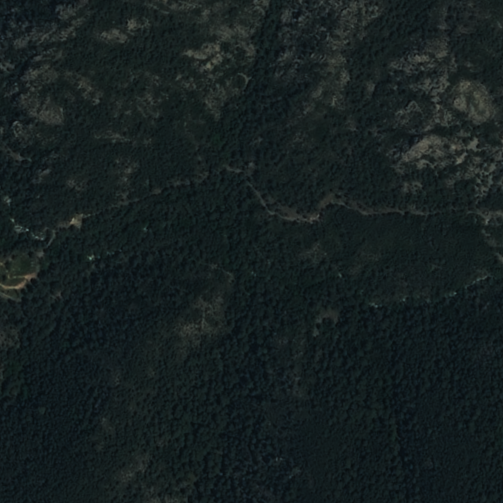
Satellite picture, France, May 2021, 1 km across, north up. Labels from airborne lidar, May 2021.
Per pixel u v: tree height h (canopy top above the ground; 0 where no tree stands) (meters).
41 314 25
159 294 10
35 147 9
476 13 11
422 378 26
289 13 6
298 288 29
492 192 18
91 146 12
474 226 10
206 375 28
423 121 18
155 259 13
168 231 26
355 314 30
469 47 15
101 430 7
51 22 14
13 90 5
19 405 19
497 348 23
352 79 18
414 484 18
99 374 18
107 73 10
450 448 17
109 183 5
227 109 17
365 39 16
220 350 21
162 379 19
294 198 10
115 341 14
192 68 23
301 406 8
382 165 23
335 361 29
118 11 21
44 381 27
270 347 13
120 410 17
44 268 14
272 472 16
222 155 29
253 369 20
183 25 21
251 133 20
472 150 14
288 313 11
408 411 14
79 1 12
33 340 30
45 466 24
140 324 16
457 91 0
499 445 16
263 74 24
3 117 31
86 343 14
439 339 32
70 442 19
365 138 20
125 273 8
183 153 16
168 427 20
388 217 23
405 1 15
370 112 18
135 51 20
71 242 32
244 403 20
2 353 15
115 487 16
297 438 9
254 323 26
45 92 10
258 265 29
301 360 8
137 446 23
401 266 16
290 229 9
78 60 13
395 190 22
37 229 10
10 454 20
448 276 15
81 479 15
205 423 33
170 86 6
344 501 16
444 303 21
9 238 28
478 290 28
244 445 20
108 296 7
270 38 21
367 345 26
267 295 28
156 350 10
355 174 25
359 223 16
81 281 25
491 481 30
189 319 6
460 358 25
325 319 14
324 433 15
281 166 16
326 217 26
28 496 15
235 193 31
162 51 16
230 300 9
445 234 28
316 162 20
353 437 23
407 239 16
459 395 18
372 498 23
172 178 27
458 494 13
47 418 25
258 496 16
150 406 14
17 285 0
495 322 7
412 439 17
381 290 17
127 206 12
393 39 21
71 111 7
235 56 10
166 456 11
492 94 19
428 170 12
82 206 17
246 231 8
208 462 37
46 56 6
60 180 9
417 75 12
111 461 18
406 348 23
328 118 18
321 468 15
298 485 14
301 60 13
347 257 18
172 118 12
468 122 16
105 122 13
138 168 9
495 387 20
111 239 24
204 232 28
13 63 13
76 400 19
